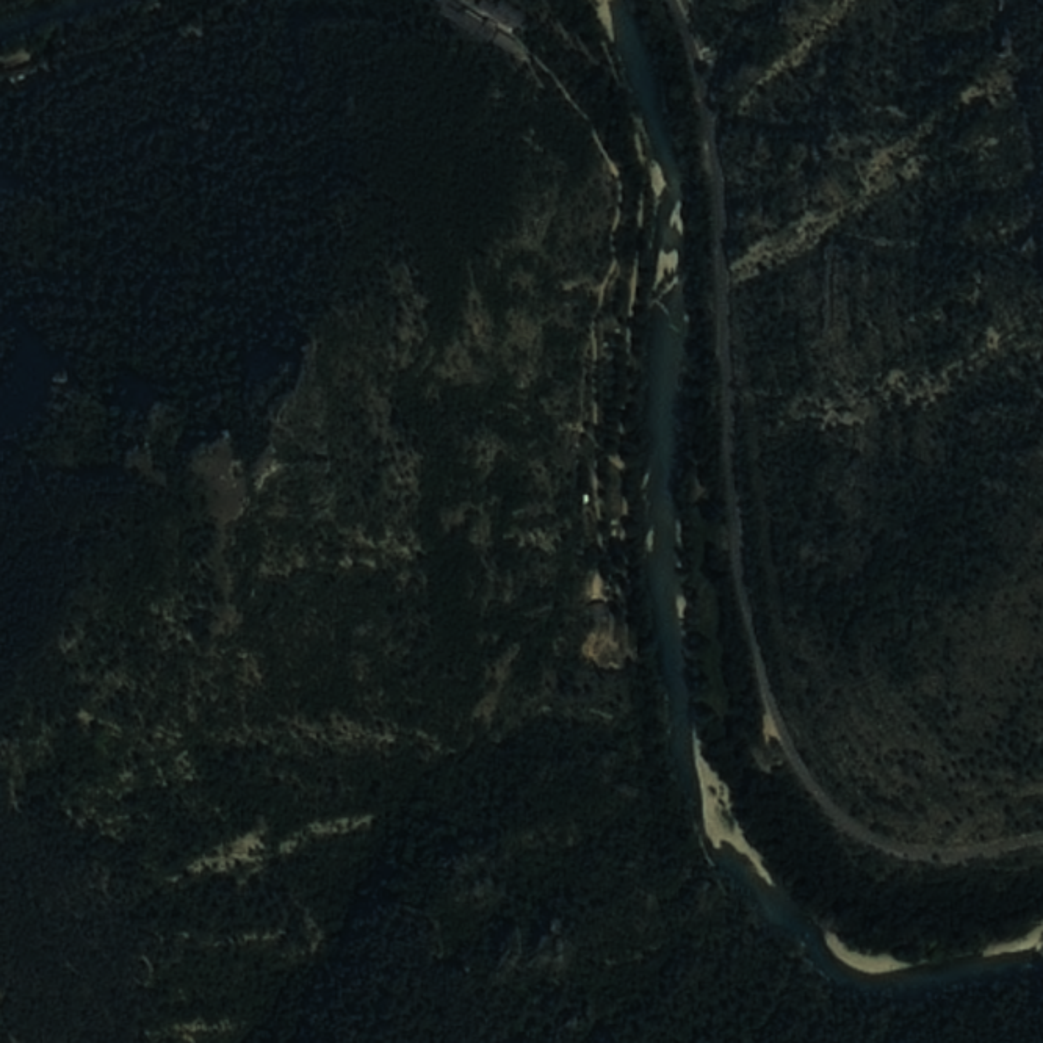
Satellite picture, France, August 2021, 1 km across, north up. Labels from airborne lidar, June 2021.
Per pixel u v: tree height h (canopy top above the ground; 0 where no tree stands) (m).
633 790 8
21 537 24
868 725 0
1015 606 6
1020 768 12
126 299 10
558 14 9
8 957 23
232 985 9
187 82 16
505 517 11
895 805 8
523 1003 16
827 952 0
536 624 8
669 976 14
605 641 0
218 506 0
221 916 7
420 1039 19
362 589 7
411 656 7
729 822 0
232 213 10
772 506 9
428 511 7
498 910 9
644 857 11
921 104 7
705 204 9
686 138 11
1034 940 0
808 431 7
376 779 10
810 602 8
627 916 6
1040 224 15
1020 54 18
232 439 11
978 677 0
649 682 12
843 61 5
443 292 9
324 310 7
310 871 14
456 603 10
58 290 17
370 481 7
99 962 24
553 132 7
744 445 6
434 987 26
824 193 0
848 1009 9
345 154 8
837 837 8
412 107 7
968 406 8
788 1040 7
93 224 7
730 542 0
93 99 12
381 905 11
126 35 14
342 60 7
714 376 17
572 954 8
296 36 16
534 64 11
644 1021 15
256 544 10
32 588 26
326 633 6
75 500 22
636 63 0
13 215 12
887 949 28
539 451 5
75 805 6
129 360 7
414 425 10
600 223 0
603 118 14
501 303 6
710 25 7
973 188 8
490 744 12
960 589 9
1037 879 13
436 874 14
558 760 10
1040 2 18
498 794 6
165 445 11
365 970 15
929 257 6
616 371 14
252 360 7
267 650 7
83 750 7
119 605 6
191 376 8
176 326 13
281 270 7
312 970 12
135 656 13
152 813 10
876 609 8
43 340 13
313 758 5
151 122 6
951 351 9
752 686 9
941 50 7
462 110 9
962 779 6
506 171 8
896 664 6
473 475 7
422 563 14
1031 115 15
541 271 8
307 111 7
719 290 0
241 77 12
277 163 7
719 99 7
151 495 8
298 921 17
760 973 7
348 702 7
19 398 7
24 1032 22
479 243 6
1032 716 5
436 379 8
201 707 9
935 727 6
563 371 7
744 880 0
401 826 10
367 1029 7
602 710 6
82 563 15
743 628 8
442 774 10
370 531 8
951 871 8
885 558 7
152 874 8
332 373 7
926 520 10
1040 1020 7
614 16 0
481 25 0
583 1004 10
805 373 8
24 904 19
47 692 12
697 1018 17
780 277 7
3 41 26
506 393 8
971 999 10
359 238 7
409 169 6
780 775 12
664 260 0
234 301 7
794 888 15
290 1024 12
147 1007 16
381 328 13
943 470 7
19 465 19
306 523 13
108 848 14
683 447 14
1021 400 8
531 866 8
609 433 14
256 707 6
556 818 6
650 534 0
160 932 6
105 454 9
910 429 6
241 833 8
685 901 10
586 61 14
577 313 14
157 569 6
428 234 7
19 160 17
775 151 8
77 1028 17
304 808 7
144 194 9
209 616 11
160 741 6
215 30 8
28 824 11
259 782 7
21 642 22
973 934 23
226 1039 6
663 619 0
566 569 8
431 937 14
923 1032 8
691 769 0
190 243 9
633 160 15
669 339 0
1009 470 6
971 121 9
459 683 9
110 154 14
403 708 8
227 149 9
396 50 7
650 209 7
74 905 17
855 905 19
